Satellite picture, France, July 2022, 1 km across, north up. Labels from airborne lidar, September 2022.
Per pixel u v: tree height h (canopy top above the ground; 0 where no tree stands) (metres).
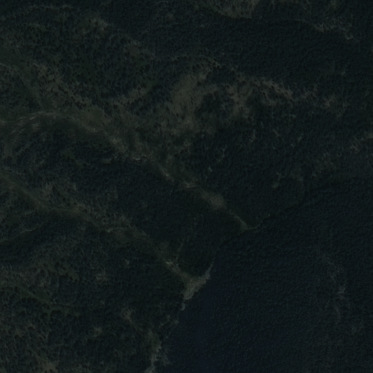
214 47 12
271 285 11
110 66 15
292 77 19
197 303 23
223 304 25
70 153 0
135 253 14
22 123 0
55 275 24
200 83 26
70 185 12
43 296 0
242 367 14
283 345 17
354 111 18
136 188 21
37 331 8
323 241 8
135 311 14
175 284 24
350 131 15
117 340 21
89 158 14
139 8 19
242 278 20
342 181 24
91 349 22
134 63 8
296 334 12
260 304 18
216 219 15
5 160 8
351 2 28
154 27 14
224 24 17
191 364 23
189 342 23
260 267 26
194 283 0
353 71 25
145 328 12
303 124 18
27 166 14
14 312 7
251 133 19
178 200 22
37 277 9
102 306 11
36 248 8
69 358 13
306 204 13
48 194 8
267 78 9
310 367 12
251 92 11
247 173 12
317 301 13
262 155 22
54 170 10
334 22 9
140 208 12
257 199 25
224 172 26
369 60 19
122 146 0
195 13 14
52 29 8
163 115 9
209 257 12
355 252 26
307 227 17
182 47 20
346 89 16
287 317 9
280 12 24
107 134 0
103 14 12
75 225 9
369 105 18
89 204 15
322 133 10
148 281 27
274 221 17
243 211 11
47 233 7
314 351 14
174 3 20
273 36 22
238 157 20
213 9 7
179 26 14
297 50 26
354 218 30
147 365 17
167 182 9
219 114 7
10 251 15
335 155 16
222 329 18
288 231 21
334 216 28
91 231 15
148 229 17
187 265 14
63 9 11
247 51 24
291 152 22
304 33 24
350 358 15
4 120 0
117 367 14
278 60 25
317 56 23
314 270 19
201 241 22
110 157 12
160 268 9
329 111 12
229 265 20
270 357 8
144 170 17
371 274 22
